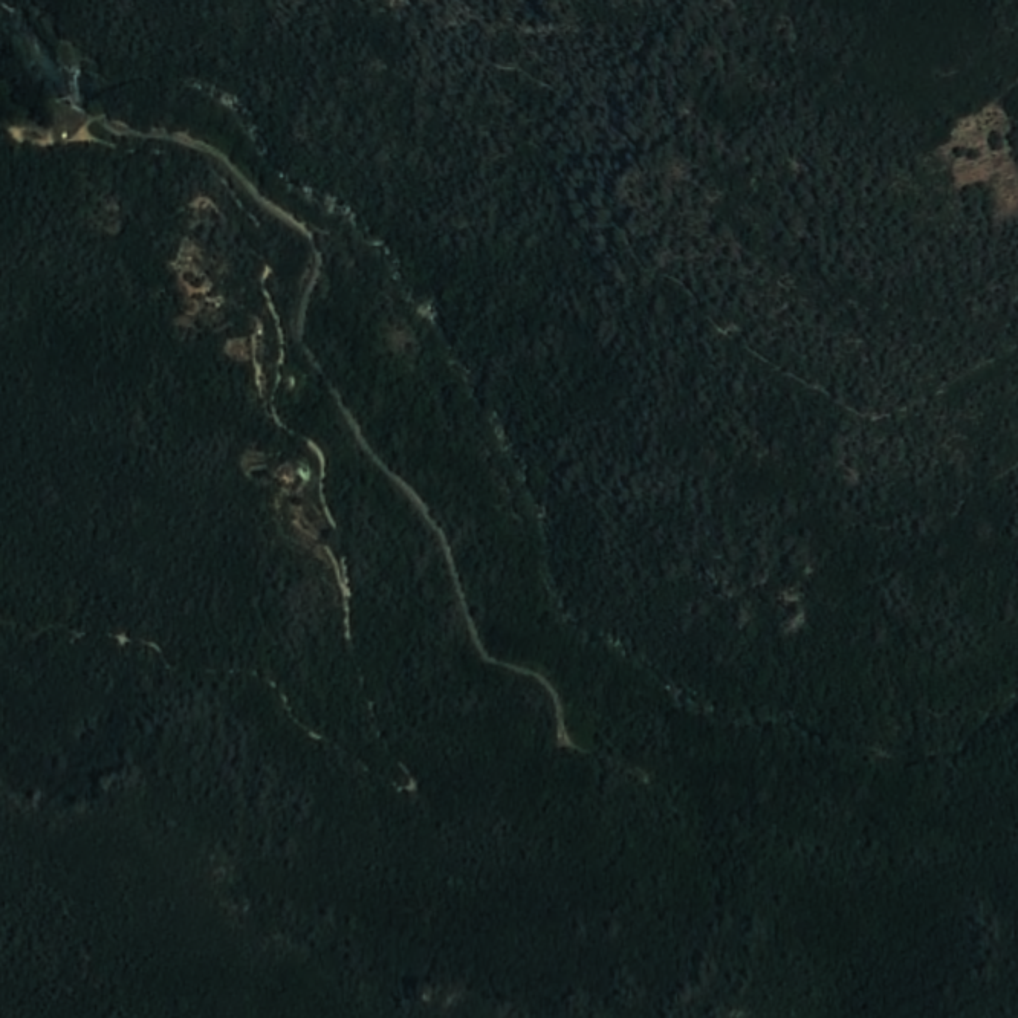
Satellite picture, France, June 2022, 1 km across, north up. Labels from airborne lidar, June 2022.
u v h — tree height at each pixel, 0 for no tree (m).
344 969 14
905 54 8
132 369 15
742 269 15
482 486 13
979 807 18
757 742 13
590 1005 10
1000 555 13
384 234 14
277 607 17
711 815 14
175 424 11
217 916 8
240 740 22
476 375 12
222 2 8
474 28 11
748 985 20
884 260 15
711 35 17
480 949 13
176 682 17
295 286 9
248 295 8
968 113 7
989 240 21
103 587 11
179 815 8
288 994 11
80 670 11
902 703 9
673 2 9
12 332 11
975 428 8
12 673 12
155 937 9
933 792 17
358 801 15
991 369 8
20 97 25
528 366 12
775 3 6
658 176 8
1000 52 6
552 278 9
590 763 19
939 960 13
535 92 8
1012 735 17
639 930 13
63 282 11
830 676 13
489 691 15
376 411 21
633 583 11
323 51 8
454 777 17
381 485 9
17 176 17
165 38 11
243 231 9
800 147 19
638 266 8
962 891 8
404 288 8
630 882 18
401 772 14
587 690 12
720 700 12
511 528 6
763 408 9
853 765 22
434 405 7
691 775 17
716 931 19
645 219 14
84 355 19
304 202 13
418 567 20
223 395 9
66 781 15
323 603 8
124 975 10
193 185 15
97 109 15
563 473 8
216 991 10
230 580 15
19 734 13
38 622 13
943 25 9
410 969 13
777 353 6
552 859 15
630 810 10
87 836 8
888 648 10
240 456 12
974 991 12
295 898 15
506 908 17
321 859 17
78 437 12
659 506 11
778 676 18
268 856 12
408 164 23
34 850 8
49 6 25
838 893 18
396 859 11
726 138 13
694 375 11
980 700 7
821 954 13
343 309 13
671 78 20
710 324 12
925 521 20
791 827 15
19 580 8
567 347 6
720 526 14
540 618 15
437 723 13
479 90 22
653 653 11
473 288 8
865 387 12
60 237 18
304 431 10
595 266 10
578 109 20
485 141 6
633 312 9
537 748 16
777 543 10
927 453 17
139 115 14
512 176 16
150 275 16
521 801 16
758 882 10
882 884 17
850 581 13
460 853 14
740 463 7
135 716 11
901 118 8
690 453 12
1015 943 8
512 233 13
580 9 9
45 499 13
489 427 13
